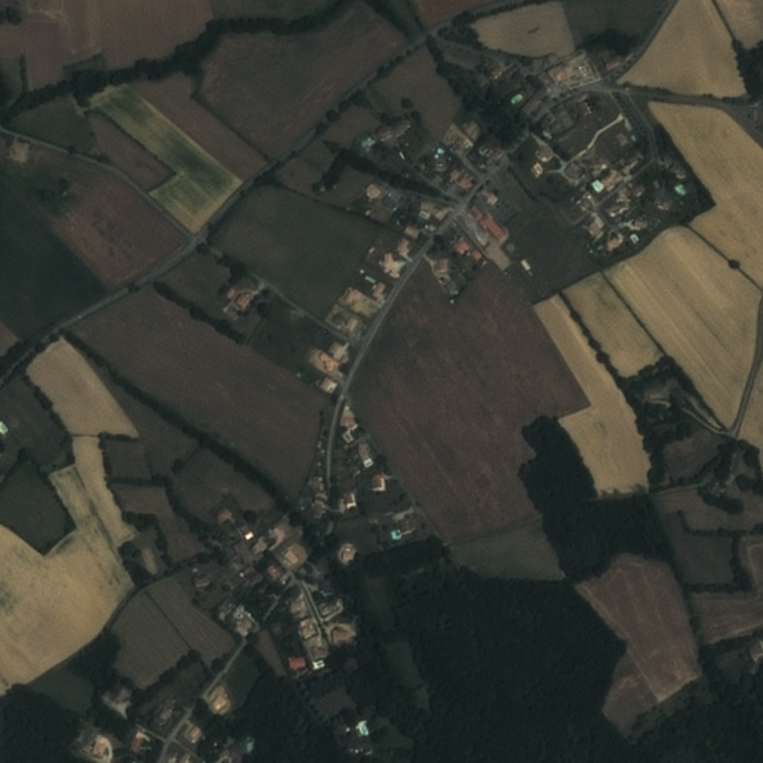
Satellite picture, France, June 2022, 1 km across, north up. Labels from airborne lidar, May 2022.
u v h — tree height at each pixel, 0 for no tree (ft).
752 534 19
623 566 0
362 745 0
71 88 43
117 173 0
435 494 0
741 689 57
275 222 0
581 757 22
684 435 40
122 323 0
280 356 0
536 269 0
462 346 0
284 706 33
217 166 0
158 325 0
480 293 0
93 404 0
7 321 0
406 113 21
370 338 0
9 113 28
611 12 0
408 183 53
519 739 53
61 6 0
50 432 0
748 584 41
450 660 56
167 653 0
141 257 0
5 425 0
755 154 0
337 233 0
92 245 0
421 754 58
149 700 32
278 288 0
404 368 0
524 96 0
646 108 0
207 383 0
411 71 0
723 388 0
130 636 0
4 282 0
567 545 26
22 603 0
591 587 0
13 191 0
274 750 62
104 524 0
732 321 0
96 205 0
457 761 60
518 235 0
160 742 36
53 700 33
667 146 23
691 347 0
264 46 0
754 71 49
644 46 0
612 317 0
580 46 18
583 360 0
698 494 21
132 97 0
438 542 40
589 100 20
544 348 0
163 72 50
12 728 47
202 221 0
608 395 0
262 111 0
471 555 0
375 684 63
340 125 0
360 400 0
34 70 0
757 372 0
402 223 23
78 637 0
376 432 0
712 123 0
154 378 0
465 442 0
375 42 0
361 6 0
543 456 53
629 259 0
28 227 0
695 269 0
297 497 0
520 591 24
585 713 56
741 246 0
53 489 34
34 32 0
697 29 0
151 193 0
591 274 0
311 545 34
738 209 0
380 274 0
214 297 0
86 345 38
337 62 0
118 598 0
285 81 0
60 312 0
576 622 36
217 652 0
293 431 0
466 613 49
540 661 48
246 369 0
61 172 0
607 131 0
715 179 0
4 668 0
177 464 22
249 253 0
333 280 0
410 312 0
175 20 0
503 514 0
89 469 0
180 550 0
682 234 0
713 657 56
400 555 55
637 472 0
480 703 55
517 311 0
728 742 46
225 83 0
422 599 52
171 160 0
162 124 0
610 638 49
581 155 0
